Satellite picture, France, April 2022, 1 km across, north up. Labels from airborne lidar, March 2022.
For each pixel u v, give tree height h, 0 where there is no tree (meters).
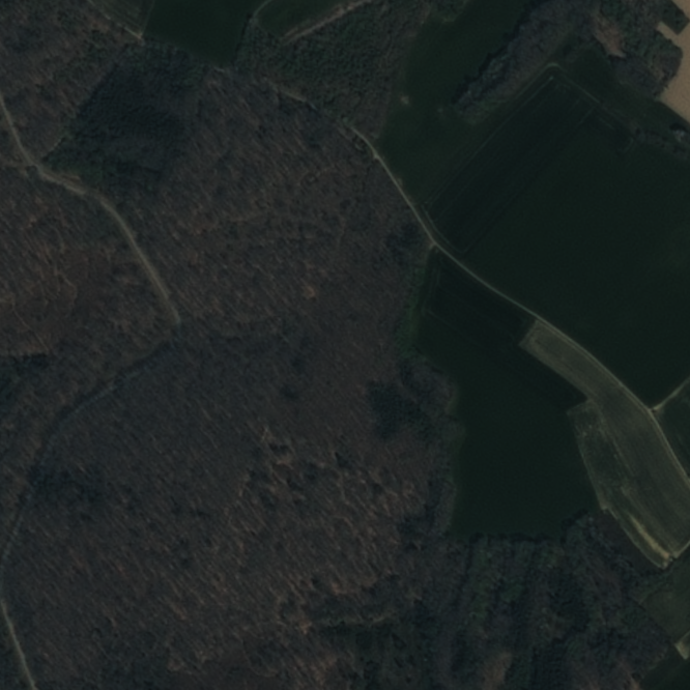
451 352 0
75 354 28
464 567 27
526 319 0
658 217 0
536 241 0
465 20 0
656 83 28
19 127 0
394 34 9
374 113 8
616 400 0
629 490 0
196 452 27
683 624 0
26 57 30
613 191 0
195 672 26
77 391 32
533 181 0
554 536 0
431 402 26
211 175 26
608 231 0
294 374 20
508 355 0
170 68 19
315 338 25
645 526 0
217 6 0
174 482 25
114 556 26
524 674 17
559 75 0
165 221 33
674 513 0
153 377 30
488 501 0
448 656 33
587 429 0
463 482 0
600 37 27
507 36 0
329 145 32
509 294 0
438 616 30
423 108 0
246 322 31
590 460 0
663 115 0
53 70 27
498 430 0
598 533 24
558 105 0
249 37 12
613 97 0
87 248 31
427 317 0
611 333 0
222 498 28
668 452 0
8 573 29
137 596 27
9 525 30
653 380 0
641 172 0
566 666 25
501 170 0
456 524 0
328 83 9
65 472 32
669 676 0
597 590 24
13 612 26
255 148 32
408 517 31
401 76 0
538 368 0
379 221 19
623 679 35
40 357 8
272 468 27
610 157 0
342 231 26
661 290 0
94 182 23
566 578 12
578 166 0
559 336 0
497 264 0
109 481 27
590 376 0
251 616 30
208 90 30
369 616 32
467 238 0
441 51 0
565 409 0
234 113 30
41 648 30
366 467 24
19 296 29
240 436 27
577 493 0
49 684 28
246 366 30
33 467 32
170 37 0
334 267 22
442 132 0
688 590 0
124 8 0
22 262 29
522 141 0
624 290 0
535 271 0
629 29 24
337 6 0
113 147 31
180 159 18
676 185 0
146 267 0
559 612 22
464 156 0
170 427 29
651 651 29
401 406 26
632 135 0
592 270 0
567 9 35
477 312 0
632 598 24
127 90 29
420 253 18
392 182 16
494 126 0
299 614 29
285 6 0
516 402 0
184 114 30
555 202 0
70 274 27
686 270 0
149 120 29
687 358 0
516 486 0
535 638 27
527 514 0
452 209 0
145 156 31
